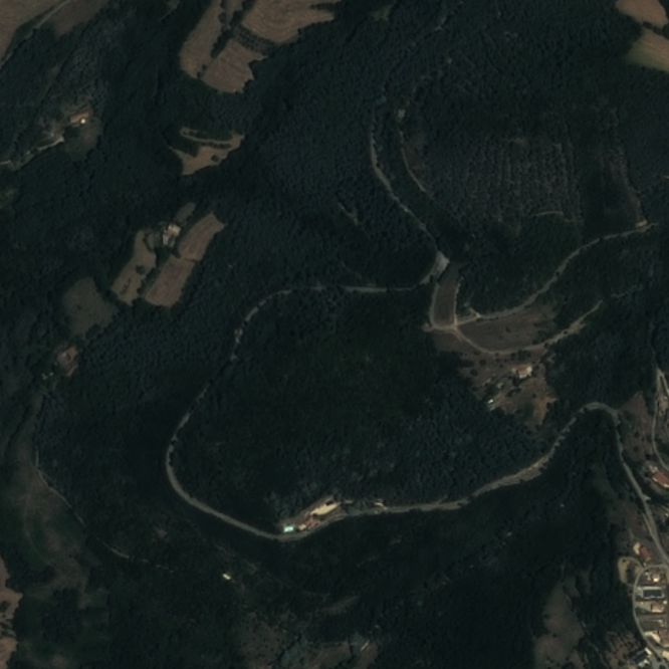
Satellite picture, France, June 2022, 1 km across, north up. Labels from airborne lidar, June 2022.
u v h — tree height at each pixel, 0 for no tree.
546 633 7
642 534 0
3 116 18
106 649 10
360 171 19
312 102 18
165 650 12
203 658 7
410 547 8
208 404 12
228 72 0
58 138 0
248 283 7
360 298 12
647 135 17
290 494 10
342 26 26
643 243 16
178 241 6
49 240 15
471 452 18
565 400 12
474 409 21
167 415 12
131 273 0
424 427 13
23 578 7
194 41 0
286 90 25
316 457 11
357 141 16
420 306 15
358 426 11
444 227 12
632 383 17
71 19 0
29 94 20
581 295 8
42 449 13
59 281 16
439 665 13
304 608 9
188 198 9
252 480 8
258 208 19
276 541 12
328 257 20
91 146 0
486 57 17
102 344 16
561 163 15
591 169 14
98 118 13
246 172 16
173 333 13
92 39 14
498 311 9
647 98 16
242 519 9
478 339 0
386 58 17
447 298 0
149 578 11
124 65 15
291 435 9
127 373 23
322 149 13
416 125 10
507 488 7
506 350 0
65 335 22
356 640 23
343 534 10
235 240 9
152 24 18
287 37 0
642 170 18
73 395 9
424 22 23
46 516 0
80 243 18
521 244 8
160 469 9
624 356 24
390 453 15
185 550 7
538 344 7
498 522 9
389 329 10
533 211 10
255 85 26
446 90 13
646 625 0
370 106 19
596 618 8
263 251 16
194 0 20
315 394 8
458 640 17
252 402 7
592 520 8
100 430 12
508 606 12
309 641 8
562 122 16
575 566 23
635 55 0
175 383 12
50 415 16
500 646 12
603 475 0
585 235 6
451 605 10
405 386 9
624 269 6
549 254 9
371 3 27
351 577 10
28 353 0
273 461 10
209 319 17
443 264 0
